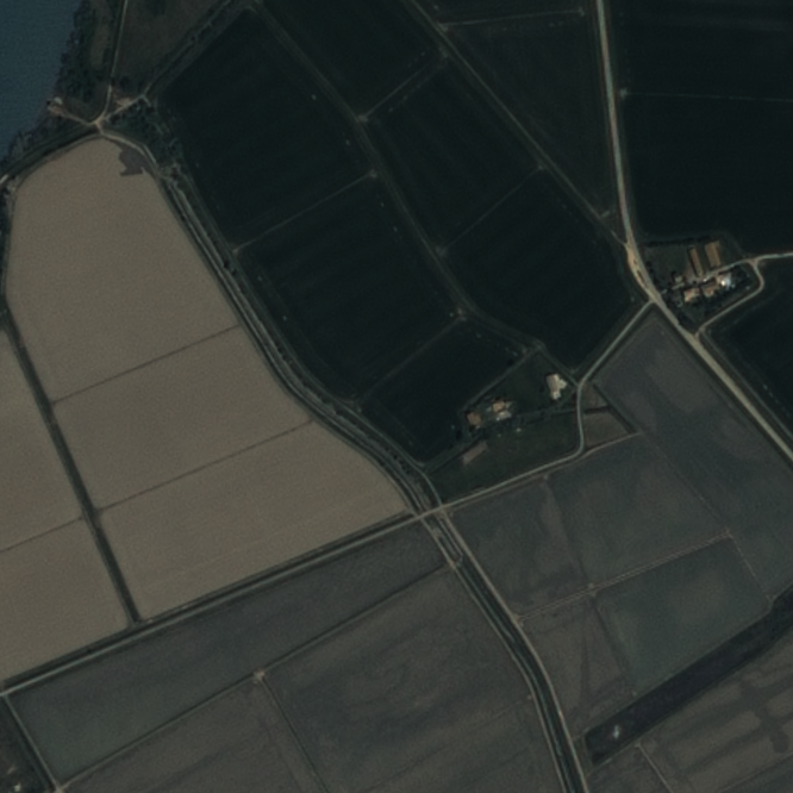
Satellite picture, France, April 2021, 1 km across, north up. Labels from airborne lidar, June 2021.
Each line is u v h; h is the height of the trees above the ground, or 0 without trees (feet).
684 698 0
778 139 0
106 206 0
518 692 0
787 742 0
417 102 0
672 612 0
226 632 0
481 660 0
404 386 0
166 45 0
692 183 0
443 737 0
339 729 0
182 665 0
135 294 0
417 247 0
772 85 0
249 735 0
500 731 0
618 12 0
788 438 0
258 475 0
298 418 0
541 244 0
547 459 0
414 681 0
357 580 0
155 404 0
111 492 0
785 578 0
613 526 0
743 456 0
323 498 0
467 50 0
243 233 0
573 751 0
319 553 0
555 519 0
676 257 0
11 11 0
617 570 0
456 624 0
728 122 0
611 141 0
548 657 0
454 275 0
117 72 0
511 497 0
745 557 0
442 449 0
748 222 0
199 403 0
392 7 0
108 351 0
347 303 0
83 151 0
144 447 0
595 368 0
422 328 0
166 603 0
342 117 0
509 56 0
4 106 0
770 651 0
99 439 0
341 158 0
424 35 0
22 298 0
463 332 0
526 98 0
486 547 0
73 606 0
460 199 0
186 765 0
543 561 0
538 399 0
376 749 0
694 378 0
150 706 0
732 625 0
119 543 0
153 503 0
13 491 0
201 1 0
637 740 0
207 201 0
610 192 0
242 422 0
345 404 0
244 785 0
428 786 0
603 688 0
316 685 0
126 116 25
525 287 0
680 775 0
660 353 0
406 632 0
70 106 0
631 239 0
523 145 0
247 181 0
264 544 0
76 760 0
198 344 0
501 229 0
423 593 0
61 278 0
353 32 0
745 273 24
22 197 0
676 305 24
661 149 0
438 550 0
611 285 0
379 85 0
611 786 0
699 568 0
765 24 0
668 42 0
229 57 0
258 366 0
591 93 0
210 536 0
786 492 0
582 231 0
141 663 0
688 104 0
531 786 0
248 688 0
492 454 0
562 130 0
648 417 0
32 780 0
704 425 0
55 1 0
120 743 0
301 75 0
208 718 0
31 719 0
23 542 0
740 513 0
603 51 0
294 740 0
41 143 21
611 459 0
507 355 0
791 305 0
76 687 0
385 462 23
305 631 0
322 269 0
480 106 0
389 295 0
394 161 0
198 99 0
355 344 0
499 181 0
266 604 0
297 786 0
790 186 0
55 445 0
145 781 0
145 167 0
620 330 0
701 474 0
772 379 0
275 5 0
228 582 0
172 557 0
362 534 0
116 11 22
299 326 0
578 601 0
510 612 0
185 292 0
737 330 0
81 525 0
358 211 0
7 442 0
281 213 0
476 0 0
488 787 0
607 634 0
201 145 0
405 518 0
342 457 0
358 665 0
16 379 0
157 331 0
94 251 0
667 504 0
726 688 0
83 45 24
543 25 0
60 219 0
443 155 0
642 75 0
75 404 0
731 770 0
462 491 0
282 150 0
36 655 0
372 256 0
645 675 0
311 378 0
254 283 0
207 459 0
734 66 0
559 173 0
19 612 0
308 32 0
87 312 0
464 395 0
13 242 0
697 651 0
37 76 0
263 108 0
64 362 0
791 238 0
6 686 0
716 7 0
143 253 0
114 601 0
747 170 0
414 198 0
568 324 0
